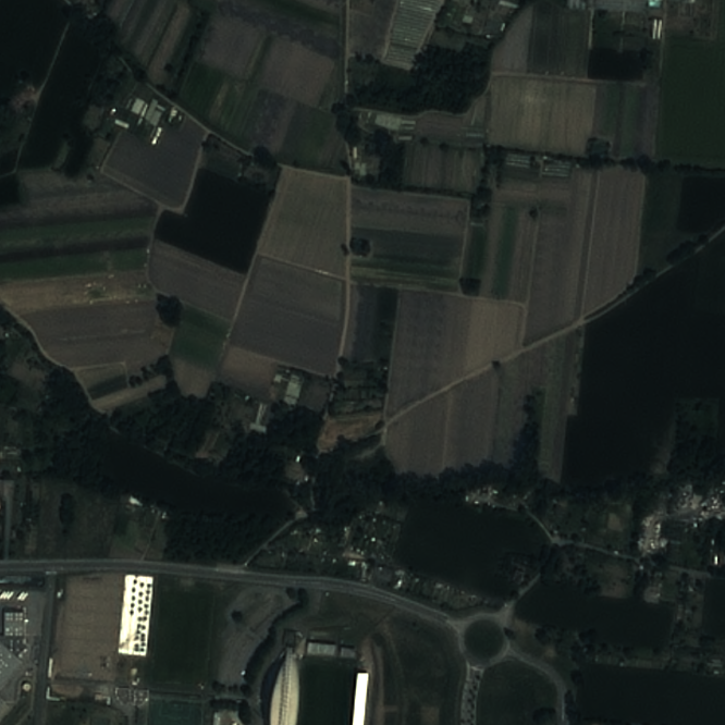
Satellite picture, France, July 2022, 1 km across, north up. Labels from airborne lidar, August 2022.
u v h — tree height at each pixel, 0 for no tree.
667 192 0
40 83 0
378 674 0
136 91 0
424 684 0
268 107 0
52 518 0
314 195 0
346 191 0
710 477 21
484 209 7
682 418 10
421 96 15
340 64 0
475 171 0
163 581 0
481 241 0
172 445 10
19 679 0
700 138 0
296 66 0
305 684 0
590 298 0
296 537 0
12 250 0
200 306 0
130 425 12
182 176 0
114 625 0
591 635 13
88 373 0
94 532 0
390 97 10
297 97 0
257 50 0
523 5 8
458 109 12
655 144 0
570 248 0
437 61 11
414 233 0
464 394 0
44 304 0
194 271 0
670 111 0
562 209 0
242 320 0
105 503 0
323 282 0
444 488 12
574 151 0
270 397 0
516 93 0
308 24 0
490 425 0
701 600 0
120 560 0
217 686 12
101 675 0
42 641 0
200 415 11
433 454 0
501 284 0
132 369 0
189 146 0
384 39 0
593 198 0
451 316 0
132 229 0
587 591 10
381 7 0
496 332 0
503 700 0
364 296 0
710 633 0
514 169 0
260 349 0
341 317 0
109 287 0
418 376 0
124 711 0
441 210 0
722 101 0
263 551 6
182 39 0
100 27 16
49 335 0
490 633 0
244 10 0
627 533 0
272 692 0
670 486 6
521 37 0
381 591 0
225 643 0
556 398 0
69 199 0
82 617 0
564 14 0
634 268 0
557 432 0
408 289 0
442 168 0
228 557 9
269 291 0
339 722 0
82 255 0
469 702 5
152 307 0
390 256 0
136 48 0
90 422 12
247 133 0
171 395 11
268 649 12
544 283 0
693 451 15
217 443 0
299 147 0
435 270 0
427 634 0
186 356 0
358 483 30
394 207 0
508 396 0
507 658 0
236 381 0
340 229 0
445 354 0
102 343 0
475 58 8
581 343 0
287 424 22
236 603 0
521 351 0
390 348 0
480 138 0
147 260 0
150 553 0
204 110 0
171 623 0
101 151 0
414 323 0
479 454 0
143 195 0
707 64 0
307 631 0
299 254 0
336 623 0
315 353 0
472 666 0
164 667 0
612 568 0
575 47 0
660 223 0
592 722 6
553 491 9
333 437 0
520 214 0
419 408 0
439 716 0
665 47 0
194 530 9
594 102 0
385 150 25
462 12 0
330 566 0
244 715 17
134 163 0
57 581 0
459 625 0
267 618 0
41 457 15
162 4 0
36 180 0
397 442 0
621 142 0
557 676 0
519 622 0
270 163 21
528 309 0
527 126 0
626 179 0
